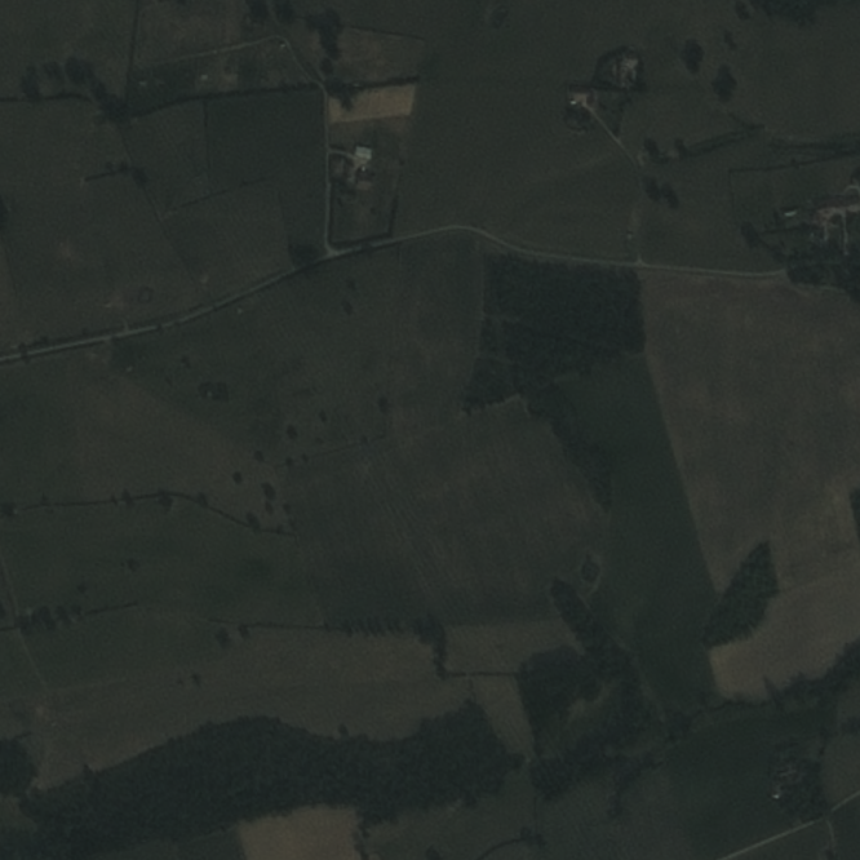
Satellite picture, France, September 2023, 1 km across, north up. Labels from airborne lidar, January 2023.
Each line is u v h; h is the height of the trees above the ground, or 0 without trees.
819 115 0
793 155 0
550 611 0
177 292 0
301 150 0
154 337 0
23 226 0
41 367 0
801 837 0
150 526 0
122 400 0
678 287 0
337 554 0
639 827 0
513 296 10
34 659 0
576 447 20
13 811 0
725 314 0
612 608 0
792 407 0
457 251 0
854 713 0
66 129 0
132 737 0
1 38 0
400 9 0
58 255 0
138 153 0
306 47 0
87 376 0
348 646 0
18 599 0
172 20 0
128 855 0
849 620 0
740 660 0
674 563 0
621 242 0
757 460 0
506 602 0
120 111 18
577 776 14
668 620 0
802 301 0
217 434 0
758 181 0
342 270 0
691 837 0
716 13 0
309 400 0
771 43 0
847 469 0
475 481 0
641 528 0
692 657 0
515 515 0
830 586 0
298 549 0
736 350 0
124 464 0
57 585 0
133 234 0
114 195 0
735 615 7
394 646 0
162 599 0
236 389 0
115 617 0
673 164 0
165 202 0
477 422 0
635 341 14
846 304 0
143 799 24
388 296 0
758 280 0
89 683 0
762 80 0
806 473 0
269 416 0
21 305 0
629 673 17
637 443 0
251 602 0
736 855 0
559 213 0
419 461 0
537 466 0
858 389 0
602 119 0
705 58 0
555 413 22
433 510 0
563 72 0
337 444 0
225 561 0
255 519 10
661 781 0
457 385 0
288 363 0
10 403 0
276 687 0
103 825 23
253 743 16
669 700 0
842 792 0
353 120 0
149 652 0
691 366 0
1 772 24
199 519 0
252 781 28
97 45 0
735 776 0
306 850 0
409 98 0
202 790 28
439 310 0
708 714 29
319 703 0
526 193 0
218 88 0
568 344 16
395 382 0
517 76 0
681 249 0
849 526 0
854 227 8
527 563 0
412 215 0
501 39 0
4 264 0
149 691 0
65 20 0
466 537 0
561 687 19
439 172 0
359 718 0
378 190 0
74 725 0
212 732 7
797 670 0
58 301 0
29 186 0
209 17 0
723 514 0
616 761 0
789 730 0
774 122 0
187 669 0
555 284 13
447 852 0
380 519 0
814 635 0
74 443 0
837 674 8
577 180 0
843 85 0
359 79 0
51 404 0
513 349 13
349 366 0
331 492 0
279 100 0
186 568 0
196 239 0
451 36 0
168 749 8
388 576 0
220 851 0
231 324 0
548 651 0
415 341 0
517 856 0
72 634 0
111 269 0
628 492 0
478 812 0
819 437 0
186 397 0
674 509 0
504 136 0
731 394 0
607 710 0
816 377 0
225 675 0
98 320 0
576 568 0
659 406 0
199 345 0
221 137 0
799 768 13
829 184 0
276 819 0
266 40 0
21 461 0
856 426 0
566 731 0
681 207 0
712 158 0
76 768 0
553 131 0
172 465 0
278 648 0
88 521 0
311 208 0
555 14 0
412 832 0
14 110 0
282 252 0
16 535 0
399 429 0
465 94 0
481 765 23
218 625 0
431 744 15
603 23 0
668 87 0
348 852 0
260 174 0
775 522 0
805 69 0
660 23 0
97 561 0
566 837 0
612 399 0
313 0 0
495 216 0
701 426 0
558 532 0
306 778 23
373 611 0
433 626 17
